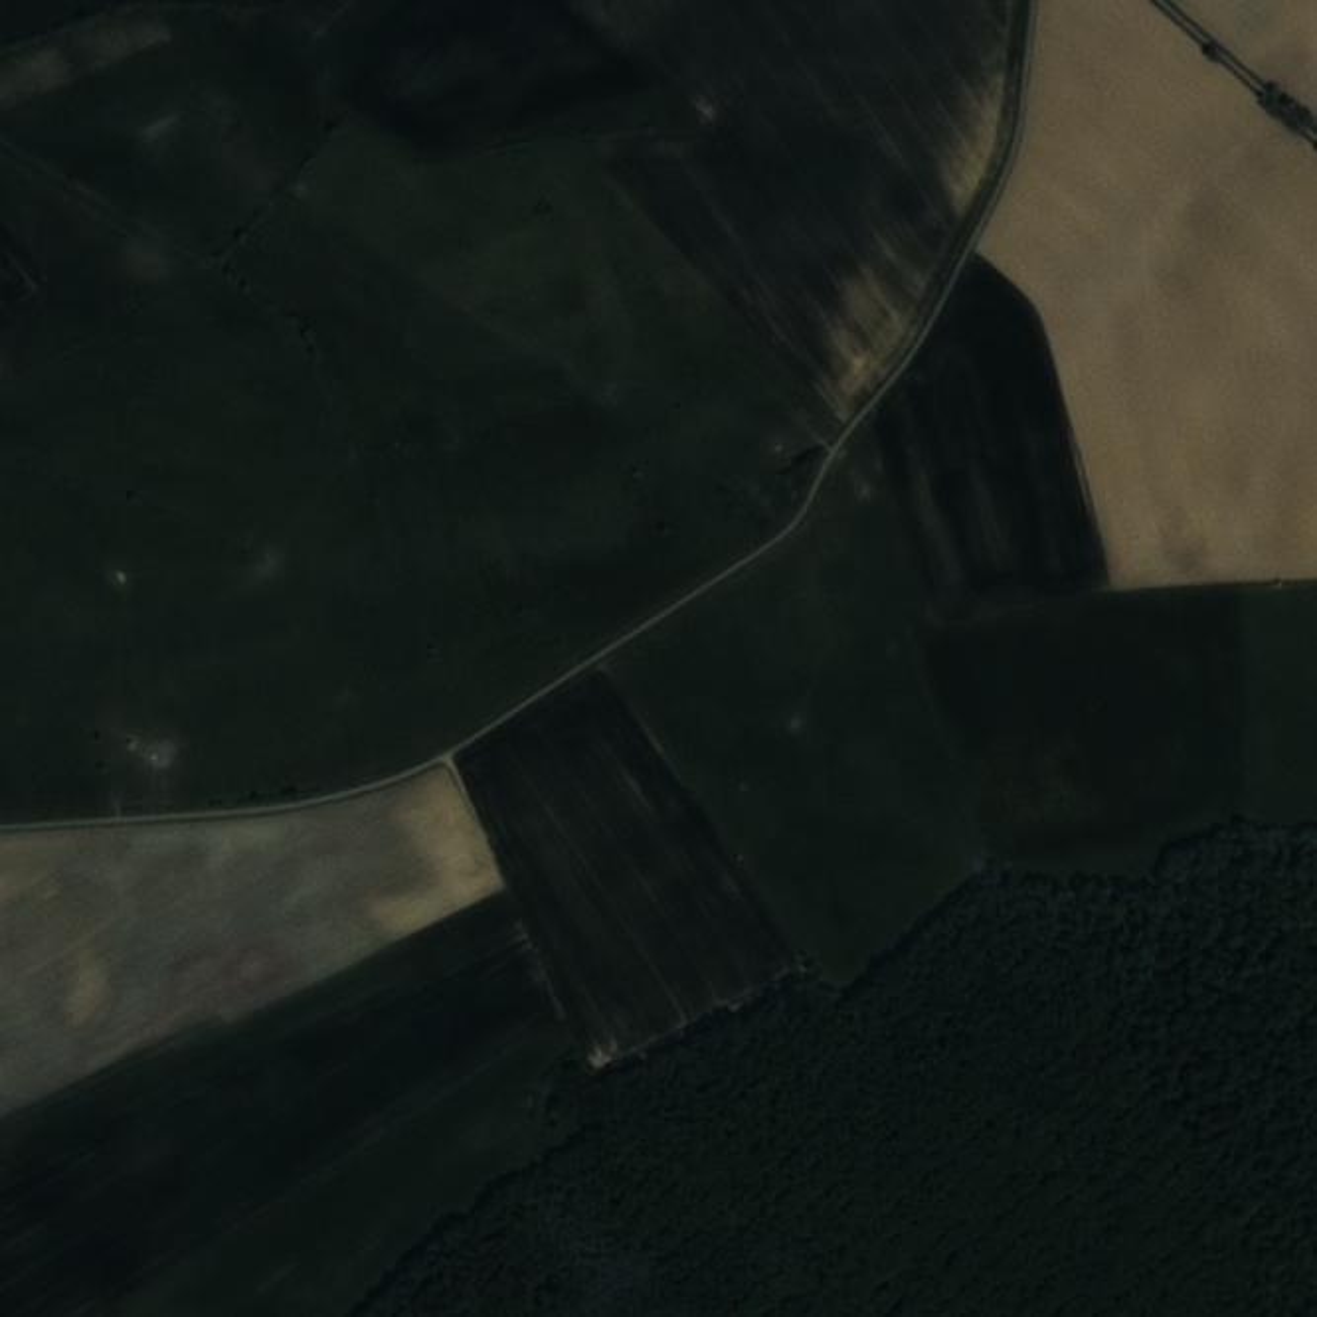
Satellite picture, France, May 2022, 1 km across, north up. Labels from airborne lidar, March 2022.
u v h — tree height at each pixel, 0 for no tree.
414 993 0
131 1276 0
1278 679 0
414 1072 0
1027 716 0
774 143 0
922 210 0
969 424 0
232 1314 0
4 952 0
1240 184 0
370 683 0
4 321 0
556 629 0
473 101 0
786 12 0
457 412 0
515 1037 0
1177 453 0
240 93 0
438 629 0
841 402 0
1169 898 17
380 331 0
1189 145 0
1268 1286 17
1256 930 27
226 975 0
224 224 0
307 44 0
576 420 0
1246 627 0
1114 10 0
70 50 0
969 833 0
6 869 0
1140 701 0
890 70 0
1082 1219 18
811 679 0
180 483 0
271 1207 0
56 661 0
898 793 0
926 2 0
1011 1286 18
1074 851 0
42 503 0
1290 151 0
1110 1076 20
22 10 0
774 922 0
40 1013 0
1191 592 0
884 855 0
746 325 0
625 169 0
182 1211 0
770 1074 19
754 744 0
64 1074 0
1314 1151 27
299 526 0
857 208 0
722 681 0
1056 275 0
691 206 0
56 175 0
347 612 0
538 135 0
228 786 0
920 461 0
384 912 0
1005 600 0
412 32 0
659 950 0
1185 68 0
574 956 0
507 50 0
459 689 0
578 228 0
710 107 0
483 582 0
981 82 0
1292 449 0
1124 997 19
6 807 0
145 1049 0
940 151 0
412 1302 21
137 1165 0
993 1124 18
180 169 0
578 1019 0
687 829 0
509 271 0
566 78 0
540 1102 0
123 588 0
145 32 0
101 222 0
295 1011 0
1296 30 0
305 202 0
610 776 0
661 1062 16
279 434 0
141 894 0
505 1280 16
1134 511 0
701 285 0
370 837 0
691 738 0
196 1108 0
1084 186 0
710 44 0
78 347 0
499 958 0
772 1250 18
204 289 0
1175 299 0
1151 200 0
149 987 0
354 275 0
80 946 0
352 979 0
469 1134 0
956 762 0
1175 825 0
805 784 0
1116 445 0
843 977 0
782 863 0
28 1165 0
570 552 0
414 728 0
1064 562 0
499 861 0
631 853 0
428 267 0
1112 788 0
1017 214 0
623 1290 15
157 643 0
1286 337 0
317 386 0
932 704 0
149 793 0
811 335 0
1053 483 0
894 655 0
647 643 0
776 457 0
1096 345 0
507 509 0
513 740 0
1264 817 0
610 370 0
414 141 0
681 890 0
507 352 0
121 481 0
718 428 0
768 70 0
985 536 0
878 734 0
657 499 0
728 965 0
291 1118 0
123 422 0
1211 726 0
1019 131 0
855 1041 17
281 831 0
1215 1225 21
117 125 0
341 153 0
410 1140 0
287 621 0
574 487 0
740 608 0
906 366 0
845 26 0
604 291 0
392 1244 0
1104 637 0
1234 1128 27
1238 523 0
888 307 0
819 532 0
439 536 0
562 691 0
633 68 0
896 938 0
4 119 0
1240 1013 30
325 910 0
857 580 0
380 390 0
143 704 0
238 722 0
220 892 0
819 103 0
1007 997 21
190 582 0
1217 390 0
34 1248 0
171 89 0
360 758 0
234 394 0
